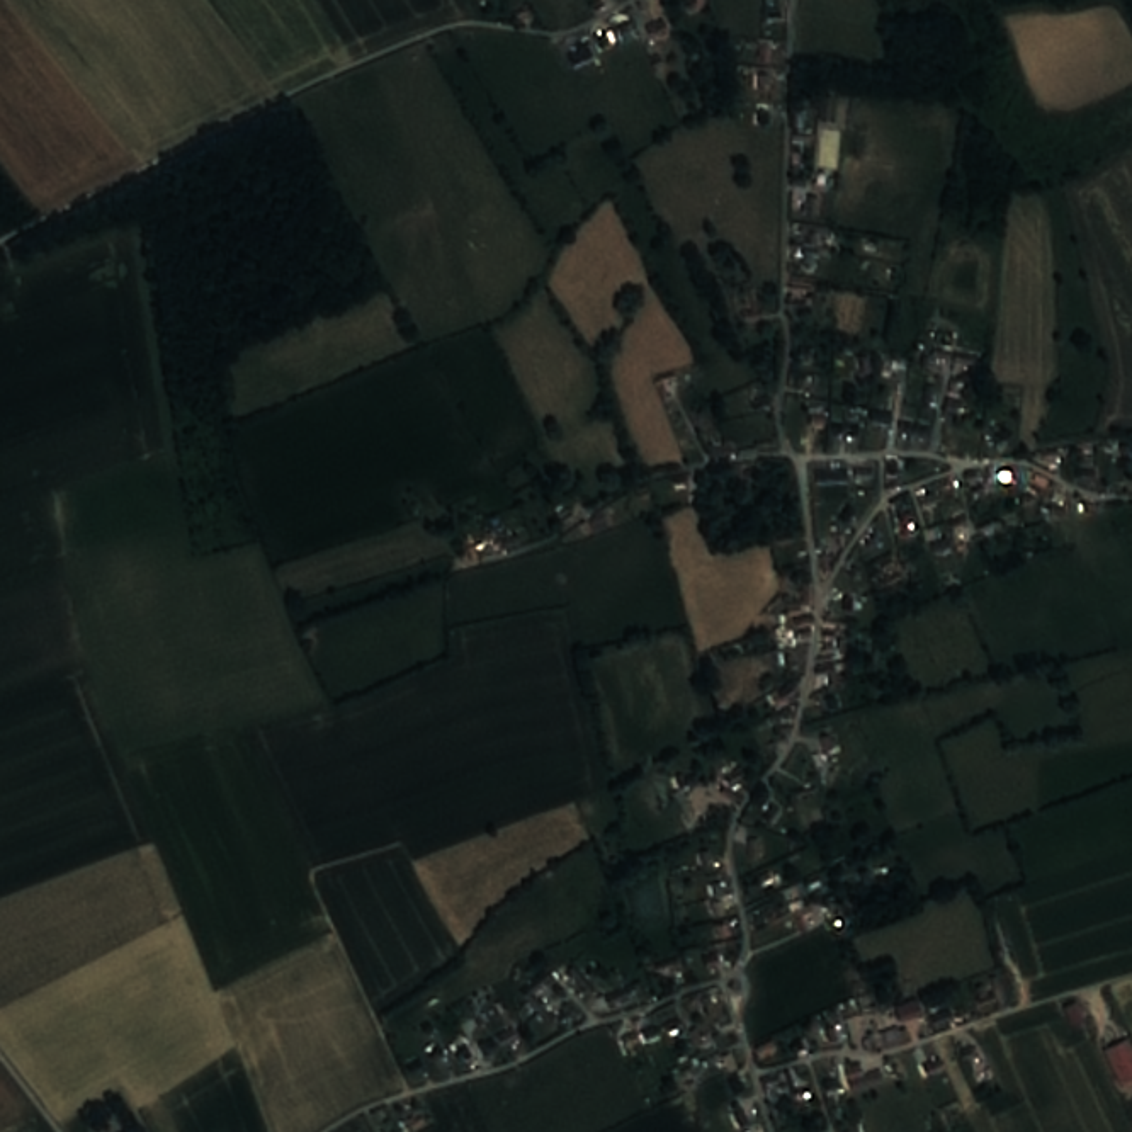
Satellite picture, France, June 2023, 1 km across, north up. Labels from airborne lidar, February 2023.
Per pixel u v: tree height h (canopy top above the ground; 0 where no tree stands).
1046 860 0
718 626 0
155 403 0
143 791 0
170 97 0
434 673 0
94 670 0
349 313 0
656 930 0
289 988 0
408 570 0
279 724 0
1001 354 0
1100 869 0
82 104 0
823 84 16
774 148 0
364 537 0
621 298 11
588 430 0
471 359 0
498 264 0
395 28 0
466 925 0
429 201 0
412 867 0
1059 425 0
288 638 0
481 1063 0
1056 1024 0
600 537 0
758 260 0
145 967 0
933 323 0
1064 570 0
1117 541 0
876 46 0
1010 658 0
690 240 0
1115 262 0
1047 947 0
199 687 0
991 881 0
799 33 0
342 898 0
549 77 0
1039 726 0
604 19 0
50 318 0
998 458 0
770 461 8
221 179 24
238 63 0
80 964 0
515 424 0
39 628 0
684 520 0
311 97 0
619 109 0
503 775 0
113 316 0
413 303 0
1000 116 0
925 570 0
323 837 0
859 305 0
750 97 0
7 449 0
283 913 0
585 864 0
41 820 0
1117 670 0
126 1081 0
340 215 17
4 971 0
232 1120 0
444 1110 0
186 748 0
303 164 23
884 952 0
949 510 0
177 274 21
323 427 0
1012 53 0
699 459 0
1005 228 6
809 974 0
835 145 0
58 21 0
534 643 0
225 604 0
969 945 0
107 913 0
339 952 0
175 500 0
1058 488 0
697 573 0
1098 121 0
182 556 0
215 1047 0
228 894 0
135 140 0
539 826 0
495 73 0
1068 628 0
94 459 0
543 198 0
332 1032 0
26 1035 0
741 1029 0
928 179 0
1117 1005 0
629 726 0
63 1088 0
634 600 0
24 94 0
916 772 0
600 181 0
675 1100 0
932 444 0
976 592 0
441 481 0
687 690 0
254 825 0
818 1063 0
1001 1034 0
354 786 0
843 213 0
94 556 0
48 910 0
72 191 0
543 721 0
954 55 20
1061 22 0
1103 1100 0
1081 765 0
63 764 0
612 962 0
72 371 0
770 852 0
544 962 11
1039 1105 0
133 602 0
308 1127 0
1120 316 0
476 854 0
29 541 0
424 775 0
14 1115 0
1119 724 0
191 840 0
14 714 0
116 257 0
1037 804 0
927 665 0
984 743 0
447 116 0
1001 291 0
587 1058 0
